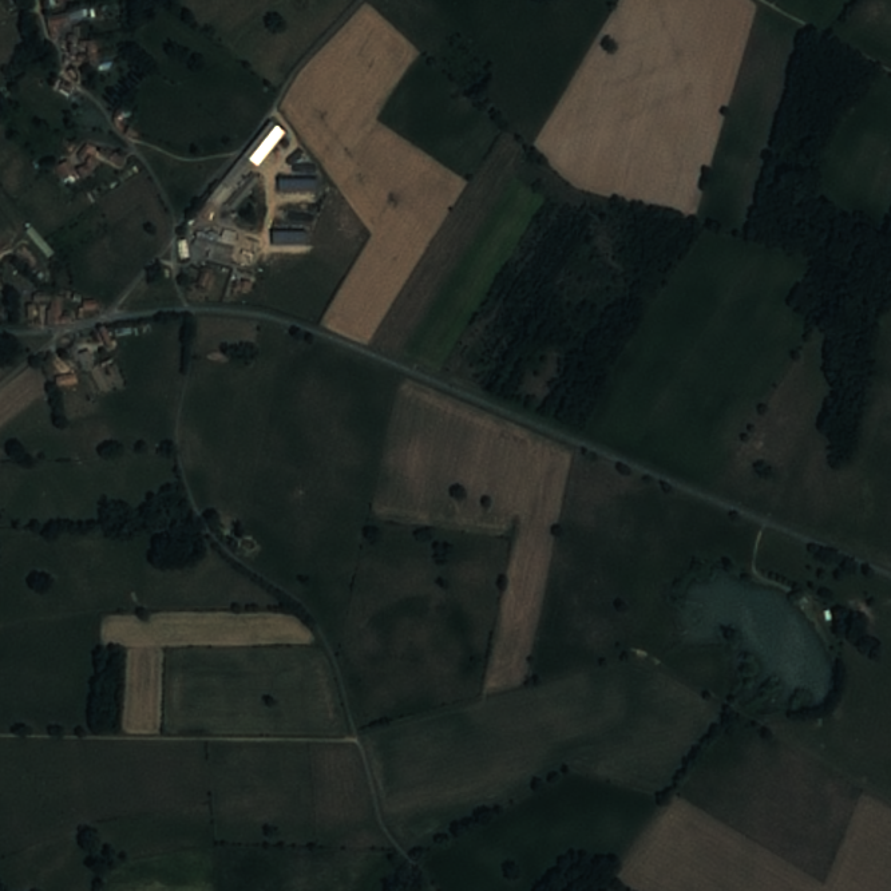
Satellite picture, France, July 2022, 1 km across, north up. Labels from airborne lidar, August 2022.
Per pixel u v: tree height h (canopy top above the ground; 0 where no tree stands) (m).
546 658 0
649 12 0
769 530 0
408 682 0
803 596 10
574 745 0
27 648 0
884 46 0
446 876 0
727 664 0
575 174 0
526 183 0
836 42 21
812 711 13
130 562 0
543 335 13
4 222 0
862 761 0
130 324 6
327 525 0
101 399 0
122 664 7
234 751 0
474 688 0
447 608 0
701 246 0
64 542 0
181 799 0
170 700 0
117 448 15
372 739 0
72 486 0
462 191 0
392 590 0
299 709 0
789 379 0
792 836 0
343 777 0
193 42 0
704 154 0
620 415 0
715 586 0
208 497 0
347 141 0
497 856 0
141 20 15
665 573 0
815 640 0
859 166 0
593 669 0
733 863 0
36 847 0
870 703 0
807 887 0
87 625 0
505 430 0
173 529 17
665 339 0
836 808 0
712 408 0
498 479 0
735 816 0
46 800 0
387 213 0
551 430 0
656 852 0
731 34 0
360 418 0
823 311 11
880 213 0
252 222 17
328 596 0
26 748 0
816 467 0
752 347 0
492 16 0
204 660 0
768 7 0
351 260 0
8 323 7
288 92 0
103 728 14
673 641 0
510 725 0
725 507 0
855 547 0
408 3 0
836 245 21
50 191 0
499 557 0
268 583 9
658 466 0
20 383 0
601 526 0
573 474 0
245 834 0
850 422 16
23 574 0
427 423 0
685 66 0
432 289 0
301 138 0
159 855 0
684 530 0
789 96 14
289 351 0
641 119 0
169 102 0
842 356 23
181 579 0
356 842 0
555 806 0
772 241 16
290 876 0
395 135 0
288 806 0
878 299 20
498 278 6
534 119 0
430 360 0
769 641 0
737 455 0
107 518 17
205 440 0
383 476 0
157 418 0
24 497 0
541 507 0
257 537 0
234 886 0
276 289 0
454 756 0
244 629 0
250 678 0
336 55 0
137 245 0
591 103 0
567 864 16
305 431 0
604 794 0
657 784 0
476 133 0
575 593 0
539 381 0
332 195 0
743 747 0
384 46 0
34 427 0
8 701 0
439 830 0
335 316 0
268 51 0
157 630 0
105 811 0
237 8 0
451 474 0
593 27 0
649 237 12
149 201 0
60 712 0
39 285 9
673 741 0
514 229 0
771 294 0
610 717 0
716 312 0
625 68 0
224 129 0
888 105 0
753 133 0
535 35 0
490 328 7
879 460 0
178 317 15
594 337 11
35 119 6
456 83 8
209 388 0
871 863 0
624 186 0
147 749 0
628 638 0
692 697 0
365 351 0
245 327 0
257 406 0
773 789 0
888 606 0
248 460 0
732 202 0
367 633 0
